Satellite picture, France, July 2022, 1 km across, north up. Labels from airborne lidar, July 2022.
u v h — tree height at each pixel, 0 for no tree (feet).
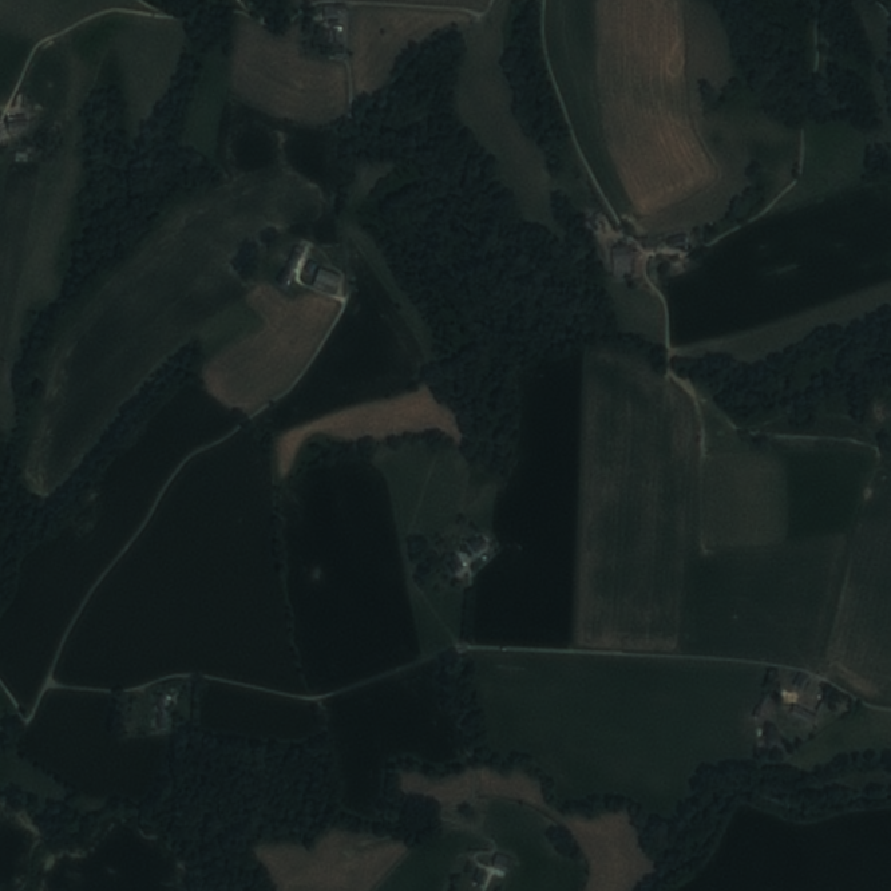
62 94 0
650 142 0
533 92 78
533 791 0
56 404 0
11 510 61
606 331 59
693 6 0
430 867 0
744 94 0
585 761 0
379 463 0
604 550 0
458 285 87
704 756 0
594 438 0
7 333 0
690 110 0
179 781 74
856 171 0
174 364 49
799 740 37
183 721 19
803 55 27
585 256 68
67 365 0
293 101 0
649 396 0
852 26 40
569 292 42
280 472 0
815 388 39
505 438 63
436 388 56
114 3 0
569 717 0
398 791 58
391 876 0
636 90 0
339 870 0
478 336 56
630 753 0
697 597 0
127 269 0
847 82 60
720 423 0
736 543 0
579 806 50
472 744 79
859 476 0
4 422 0
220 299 0
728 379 47
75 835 70
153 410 61
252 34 0
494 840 0
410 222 79
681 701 0
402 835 57
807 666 0
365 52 0
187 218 0
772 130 0
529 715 0
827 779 49
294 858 0
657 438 0
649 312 0
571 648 0
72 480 41
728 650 0
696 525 0
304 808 58
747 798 28
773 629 0
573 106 0
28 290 0
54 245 0
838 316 0
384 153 72
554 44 0
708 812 67
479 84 0
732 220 40
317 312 0
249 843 74
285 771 74
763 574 0
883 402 0
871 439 0
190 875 27
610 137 0
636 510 0
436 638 0
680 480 0
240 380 0
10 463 34
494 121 0
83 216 26
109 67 0
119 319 0
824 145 0
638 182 0
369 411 0
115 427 45
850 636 0
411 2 0
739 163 0
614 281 0
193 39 83
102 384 0
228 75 0
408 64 65
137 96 0
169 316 0
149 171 94
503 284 72
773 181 0
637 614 0
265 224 0
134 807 70
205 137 0
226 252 0
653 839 87
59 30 0
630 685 0
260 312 0
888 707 0
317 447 36
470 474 0
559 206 75
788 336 0
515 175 0
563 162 46
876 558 0
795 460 0
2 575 39
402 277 32
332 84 0
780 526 0
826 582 0
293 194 0
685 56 0
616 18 0
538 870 0
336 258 0
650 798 0
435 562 57
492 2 0
